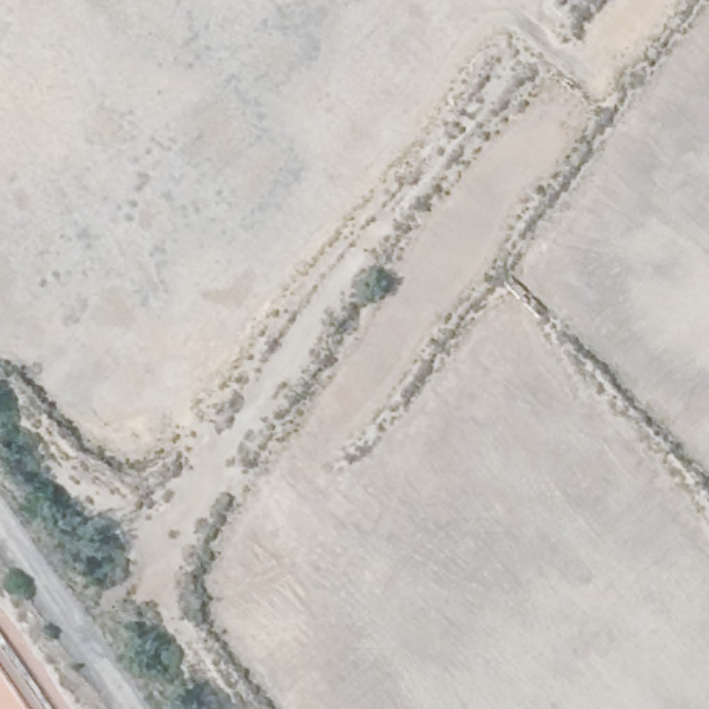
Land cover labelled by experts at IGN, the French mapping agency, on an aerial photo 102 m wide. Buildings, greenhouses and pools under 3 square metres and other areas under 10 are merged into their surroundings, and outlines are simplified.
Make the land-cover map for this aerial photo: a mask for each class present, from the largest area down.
<instances>
[{"label":"pervious surface","instance_id":"1","mask_svg":"<svg viewBox=\"0 0 709 709\"><path fill-rule=\"evenodd\" d=\"M676 14V8L667 0H607L604 8L587 22L584 39H576L571 8L562 0H0V357L28 366L30 377L44 385L47 396L58 404V410L66 418L78 424V429L91 446H105V451L119 460L144 463L147 471H108L100 460L80 454L61 435V429L44 415V407L19 382V377H11L8 382L19 404V427L33 435H42L39 454L53 479L72 499H78L86 512H108L116 521V535L130 546V576L138 587L136 601H141L158 604L163 629L180 643L183 656L194 667H199L202 676L219 692L230 698V709H263L258 698L246 690L244 679L224 659L213 656L205 648V631L183 618L177 601V579L194 571L186 554L191 551V546L202 543V537L197 535V521L213 515V504L222 493L241 490L244 468H258L260 463L258 457H244L241 468H230L227 457L238 454L244 432L263 429L260 418L285 407V399L271 396L274 388L280 382H302V371H313L316 363L310 360V349L316 346V338L321 335L327 321L343 316V307L352 299V282L357 271L371 269V249L379 246L385 235H393V224L402 222L407 208L432 188L435 177L440 174V166L460 147L457 138H446L443 125L463 122L465 127H476L474 119H465L460 111H454V97L463 91V78H471L476 89H482L485 97L493 102H499L501 97L510 100L507 133H501V138L493 141L476 136L465 147H482V155L476 163L468 166L463 183L449 197H438L432 202V210H424L418 216L413 233L402 241L404 260L388 269L399 277V288L382 302H374L360 310L357 327L343 335L338 357H321L327 368H335V379L327 388H321L316 399L305 402L302 432L288 440L285 451L280 454V463L271 465V474L260 476L258 493L249 496L246 507L233 510L224 532L213 543L216 562L205 579L213 595L210 615L219 629H227L230 648L252 670L258 684L274 698L280 709H709V493L690 474L687 465H681L670 454V446H665V440L654 435L651 427H645L637 418V413L615 393L609 379L590 360L579 357L571 343H562L548 324H540L537 310L523 299V294L515 285H501L493 291L485 310L476 313V327H471L468 335H460L457 352H449L446 371L432 374L427 379L424 391L402 413L393 429H385V424L374 427L371 413L379 404L402 402L404 388L415 379L418 368L429 357V341L443 332V313L449 310V305L457 296L476 299L485 291V274L490 269L493 255L523 252L521 277L529 282V288L548 305L551 313L565 316L571 332H576L593 352H598L620 374L623 385L654 413V418L670 427V432L687 446L690 457L701 460L709 471V8L695 19V30L687 33V44L676 47L656 64V75L645 86L631 89L626 94L623 111L618 114L615 125L604 133L607 150L593 155L582 174L571 183V191L557 199L554 210L537 224L535 241H526L521 238V230L540 202L537 186L548 183L554 163L565 155V150L595 125V108L615 105V72L634 55H643L651 36L662 33L667 17ZM233 393L244 396V407L227 432H213L216 404L227 402ZM0 590L11 595L17 618L30 629V637L42 645L47 665H53L61 687L75 698L80 709H116L102 679L72 651L69 637L53 620L50 609L36 598L33 579L14 565L0 540ZM0 673L14 687L25 709H64V703L50 690L47 676L33 667L30 654L25 651V645L14 640L11 623L0 612Z\"/></svg>","mask_w":709,"mask_h":709},{"label":"brushwood","instance_id":"2","mask_svg":"<svg viewBox=\"0 0 709 709\"><path fill-rule=\"evenodd\" d=\"M571 8L576 39H584L587 22L604 8L607 0H562ZM676 8V14L667 17L662 33L651 36L643 55H634L615 72V105L595 108V125L565 150V155L554 163L548 183L537 186L540 202L521 230V238L526 241H535L537 224L554 210L557 199L571 191V183L582 174L593 155L607 150L604 133L615 125L618 114L623 111L626 94L631 89L645 86L656 75V64L676 47L687 44V33L695 30V19L709 8V0H667ZM454 111H460L465 119H474L476 127H465L463 122L443 125L446 138H457L460 147L440 166V174L435 177L432 188L407 208L402 222L393 224V235H385L379 246L371 249V269L357 271L352 282V299L343 307V316L327 321L321 335L316 338V346L310 349V360L316 363L313 371H302V382H280L274 388L271 396L285 399V407L260 418L263 429L244 432L238 454L227 457L230 468H241L244 457H258L260 463L258 468H244L241 490L222 493L213 504V515L197 521V535L202 537V543L191 546V551L186 554L194 571L177 579V601L183 618L205 631V648L213 656L224 659L244 679L246 690L258 698L263 709H280L274 698L258 684L252 670L230 648L227 629H219L210 615L213 595L205 579L216 562L213 543L224 532L233 510L246 507L249 496L258 493L260 476L271 474V465L280 463V454L285 451L288 440L302 432L305 402L316 399L321 388H327L335 379V368H327L321 357H338L343 335L357 327L360 310L374 302H382L399 288V277L388 269L404 260L402 241L413 233L418 216L424 210H432V202L438 197H449L463 183L468 166L476 163L482 155V147H465L476 136L493 141L501 138V133H507L510 100L501 97L499 102H493L485 97L482 89H476L471 78H463V91L454 97ZM523 252L493 255L490 269L485 274V291L476 299L457 296L449 305V310L443 313V332L429 341V357L418 368L415 379L404 388L402 402L379 404L371 413L374 427L385 424V429H393L402 413L424 391L427 379L432 374L446 371L449 352H457L460 335H468L471 327H476V313L485 310L493 291L501 285H515L523 294V299L537 310L540 324H548L562 343H571L579 357L590 360L609 379L615 393L637 413V418L645 427H651L654 435L665 440V446H670V454L681 465H687L690 474L709 493V471L701 460L690 457L687 446L670 432V427L654 418V413L623 385L620 374L598 352H593L576 332H571L565 316L551 313L548 305L529 288V282L521 277ZM11 377H19V382L44 407V415L61 429V435L80 454L100 460L108 471H147L144 463L119 460L105 451V446H91L78 429V424L66 418L58 410V404L47 396L44 385L30 377L28 366L0 357V465L14 482L25 485V501L14 512L25 526L28 521L44 523L47 535L55 537L61 568L83 573L94 587L108 590L119 582H127L130 576V546L116 535V521L108 512H86L78 499H72L53 479L39 454L42 435H33L19 427V404L8 382ZM244 407V396L233 393L227 402L216 404L213 432H227ZM116 667L133 679V687L141 692L147 709H230V698L219 692L202 676L199 667H194L183 656L180 643L163 629L158 604L141 601V607L136 609L133 634L127 637L125 651L114 659Z\"/></svg>","mask_w":709,"mask_h":709},{"label":"impervious surface","instance_id":"3","mask_svg":"<svg viewBox=\"0 0 709 709\"><path fill-rule=\"evenodd\" d=\"M0 540L14 565L33 579L36 598L50 609L53 620L69 637L72 651L102 679L116 709H147L141 692L133 687V679L116 667L114 659L108 645H102L100 626H94L83 615L80 604L72 598V593L61 584V579L30 543L25 526L14 512L0 499Z\"/></svg>","mask_w":709,"mask_h":709},{"label":"herbaceous vegetation","instance_id":"4","mask_svg":"<svg viewBox=\"0 0 709 709\"><path fill-rule=\"evenodd\" d=\"M0 499L14 512L25 501V485L14 482L0 465ZM30 543L61 579V584L72 593V598L80 604L83 615L94 626H100L102 645H108L114 659L125 651L127 637L133 634L136 609L141 607V601H136L138 587L130 576L127 582H119L108 590L94 587L83 573L61 568L55 537L47 535L44 523L28 521L25 526Z\"/></svg>","mask_w":709,"mask_h":709},{"label":"water","instance_id":"5","mask_svg":"<svg viewBox=\"0 0 709 709\"><path fill-rule=\"evenodd\" d=\"M0 612L11 623L14 640L25 645V651L30 654L33 667L47 676L50 690L64 703V709H80L75 698L61 687L53 665H47L42 645L30 637V629L17 618L11 595L0 590ZM0 709H25L14 687L0 673Z\"/></svg>","mask_w":709,"mask_h":709}]
</instances>
